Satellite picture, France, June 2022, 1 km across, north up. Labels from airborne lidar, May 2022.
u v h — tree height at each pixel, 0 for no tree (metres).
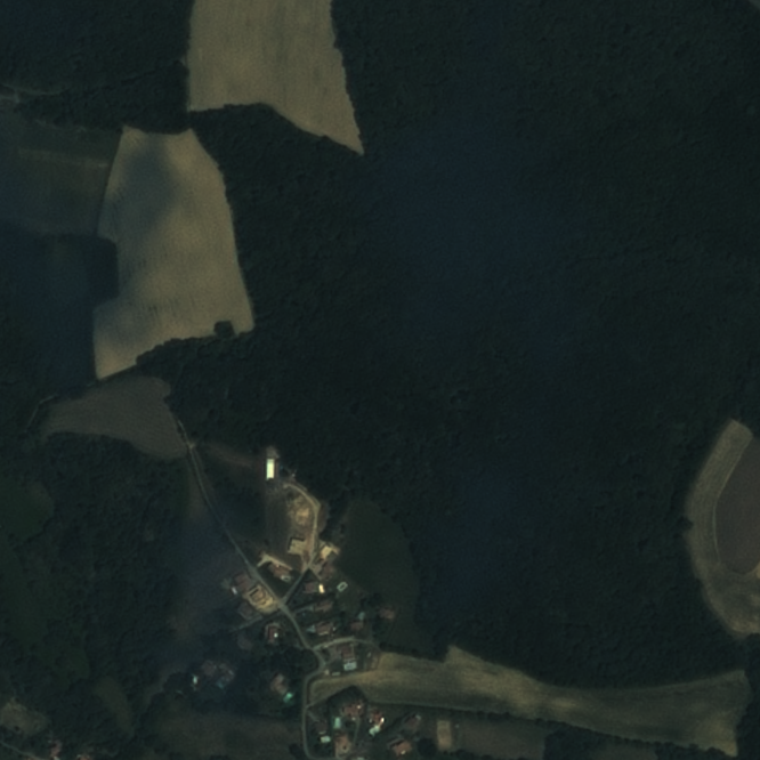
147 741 20
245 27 0
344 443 22
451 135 19
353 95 21
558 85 22
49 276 0
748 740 11
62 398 18
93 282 10
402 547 0
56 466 31
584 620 21
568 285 24
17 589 0
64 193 0
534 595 23
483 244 20
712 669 17
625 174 11
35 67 25
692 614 18
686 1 29
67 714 25
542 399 28
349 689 7
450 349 21
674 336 22
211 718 0
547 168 15
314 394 24
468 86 21
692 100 24
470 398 30
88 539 25
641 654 16
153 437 0
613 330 25
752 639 9
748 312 26
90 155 0
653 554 26
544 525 25
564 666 24
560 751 22
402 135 21
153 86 25
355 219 24
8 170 0
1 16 24
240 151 23
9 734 20
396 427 24
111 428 0
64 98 14
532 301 25
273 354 24
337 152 20
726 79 17
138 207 0
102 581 22
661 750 15
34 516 0
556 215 15
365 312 26
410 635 0
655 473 32
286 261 27
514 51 21
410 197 24
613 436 30
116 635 18
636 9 25
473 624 22
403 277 24
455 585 30
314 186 24
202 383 18
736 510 0
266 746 0
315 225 26
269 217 24
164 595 14
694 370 26
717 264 23
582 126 22
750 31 20
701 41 21
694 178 13
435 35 22
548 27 18
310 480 15
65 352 8
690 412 26
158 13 21
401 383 26
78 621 10
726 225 17
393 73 27
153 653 7
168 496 10
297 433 19
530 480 24
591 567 28
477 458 28
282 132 25
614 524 35
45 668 8
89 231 0
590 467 28
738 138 18
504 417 27
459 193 20
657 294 26
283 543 0
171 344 12
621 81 21
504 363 30
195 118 18
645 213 9
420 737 6
